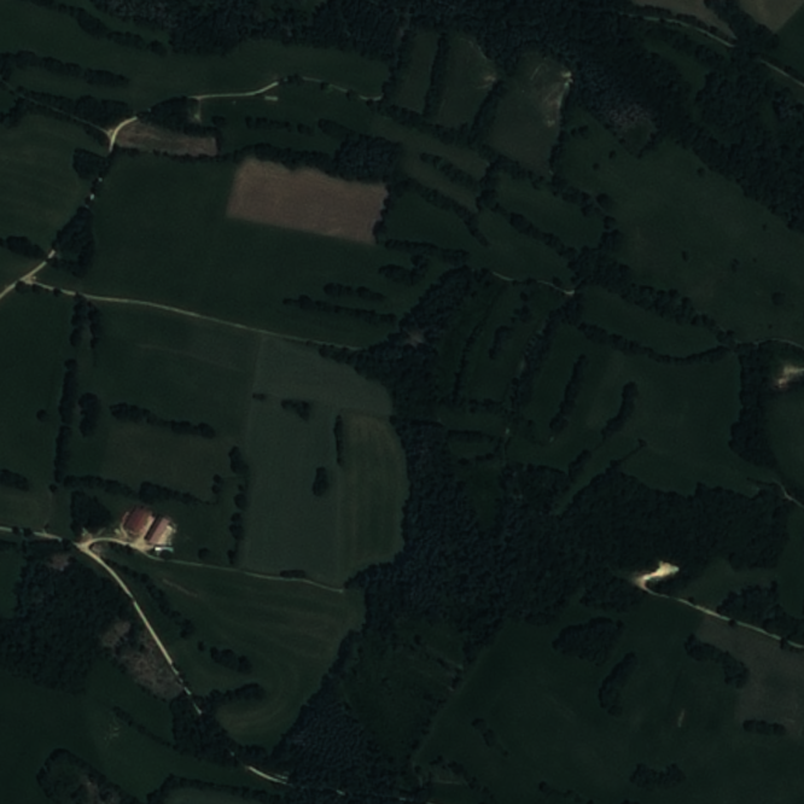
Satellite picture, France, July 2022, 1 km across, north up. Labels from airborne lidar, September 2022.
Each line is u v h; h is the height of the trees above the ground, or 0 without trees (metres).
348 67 0
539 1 26
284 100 0
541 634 0
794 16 0
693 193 0
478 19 16
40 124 0
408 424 14
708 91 7
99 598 14
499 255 0
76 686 8
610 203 18
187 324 0
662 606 0
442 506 19
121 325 0
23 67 14
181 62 0
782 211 18
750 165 26
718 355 15
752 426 17
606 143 0
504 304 0
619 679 19
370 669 0
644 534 13
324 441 0
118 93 0
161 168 0
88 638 10
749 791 0
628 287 18
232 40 18
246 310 0
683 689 0
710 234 0
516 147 0
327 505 0
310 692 0
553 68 0
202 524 0
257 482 0
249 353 0
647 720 0
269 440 0
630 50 21
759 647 0
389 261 0
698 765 0
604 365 0
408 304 0
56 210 0
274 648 0
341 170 20
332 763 27
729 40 10
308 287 0
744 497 17
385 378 19
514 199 0
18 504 0
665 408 0
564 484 18
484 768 0
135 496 19
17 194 0
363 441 0
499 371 0
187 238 0
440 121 0
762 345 9
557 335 11
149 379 0
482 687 0
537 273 0
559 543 16
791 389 13
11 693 0
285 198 0
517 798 0
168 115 9
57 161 0
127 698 0
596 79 27
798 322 0
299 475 0
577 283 12
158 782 0
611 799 0
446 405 11
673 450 0
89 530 17
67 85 0
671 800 0
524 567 23
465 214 15
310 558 0
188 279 0
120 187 0
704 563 12
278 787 17
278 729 0
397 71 21
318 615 0
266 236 0
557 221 0
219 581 0
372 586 24
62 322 0
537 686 0
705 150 22
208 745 14
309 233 0
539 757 0
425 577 32
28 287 15
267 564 0
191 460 0
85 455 0
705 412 0
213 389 0
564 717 0
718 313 0
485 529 21
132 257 0
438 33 12
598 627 22
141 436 0
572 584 21
